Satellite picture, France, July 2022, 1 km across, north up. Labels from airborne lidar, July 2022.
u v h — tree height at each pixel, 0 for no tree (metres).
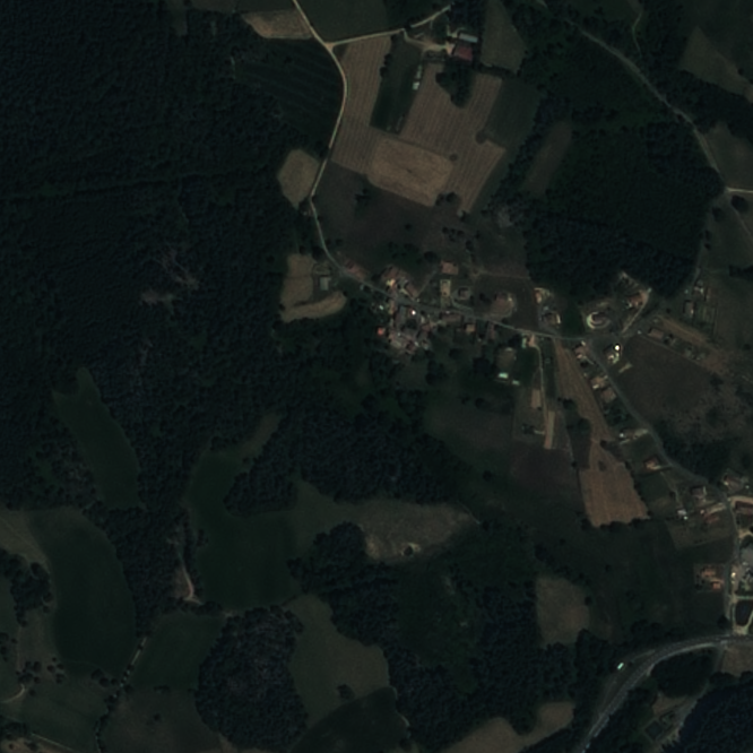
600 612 0
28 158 16
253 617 16
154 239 14
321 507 0
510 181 11
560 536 0
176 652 0
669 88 22
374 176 0
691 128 9
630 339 0
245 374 10
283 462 22
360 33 0
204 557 0
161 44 17
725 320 0
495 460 0
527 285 0
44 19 19
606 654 18
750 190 0
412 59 0
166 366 9
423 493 16
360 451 26
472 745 0
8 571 17
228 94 15
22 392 15
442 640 0
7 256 14
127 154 23
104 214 9
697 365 0
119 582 0
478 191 0
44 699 0
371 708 0
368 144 0
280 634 13
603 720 0
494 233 0
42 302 18
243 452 0
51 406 14
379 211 0
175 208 12
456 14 12
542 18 14
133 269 11
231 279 27
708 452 7
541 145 17
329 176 0
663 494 0
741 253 0
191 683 0
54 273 16
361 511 0
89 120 15
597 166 6
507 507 0
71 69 17
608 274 16
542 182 0
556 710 0
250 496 16
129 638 0
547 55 13
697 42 0
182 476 15
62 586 0
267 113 7
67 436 11
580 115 14
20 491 16
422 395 17
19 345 13
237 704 23
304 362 7
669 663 9
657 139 22
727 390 0
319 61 0
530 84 5
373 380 6
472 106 0
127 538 6
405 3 7
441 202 9
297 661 0
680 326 0
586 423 9
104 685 11
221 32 11
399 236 0
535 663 23
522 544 10
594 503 0
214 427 19
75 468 8
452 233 7
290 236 16
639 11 0
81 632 0
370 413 24
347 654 0
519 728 9
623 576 0
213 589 0
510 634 31
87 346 16
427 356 13
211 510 0
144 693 0
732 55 0
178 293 14
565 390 0
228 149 13
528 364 0
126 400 23
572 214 8
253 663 20
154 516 14
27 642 0
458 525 0
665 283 26
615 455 0
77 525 0
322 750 0
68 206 9
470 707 12
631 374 0
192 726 0
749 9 0
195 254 13
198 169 13
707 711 33
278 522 0
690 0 0
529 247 9
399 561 0
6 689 0
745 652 0
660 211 5
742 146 0
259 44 6
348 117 0
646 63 16
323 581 16
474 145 0
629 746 14
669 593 0
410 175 0
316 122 0
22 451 20
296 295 0
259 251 15
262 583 0
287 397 15
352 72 0
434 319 0
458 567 9
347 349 14
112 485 0
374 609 20
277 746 15
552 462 0
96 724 12
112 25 14
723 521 0
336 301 0
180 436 13
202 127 15
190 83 17
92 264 16
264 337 32
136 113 16
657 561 0
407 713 15
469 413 0
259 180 17
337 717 0
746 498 0
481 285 0
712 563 0
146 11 11
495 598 21
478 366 16
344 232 0
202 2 0
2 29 15
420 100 0
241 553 0
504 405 0
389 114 0
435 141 0
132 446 7
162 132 17
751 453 0
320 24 0
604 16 15
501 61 0
